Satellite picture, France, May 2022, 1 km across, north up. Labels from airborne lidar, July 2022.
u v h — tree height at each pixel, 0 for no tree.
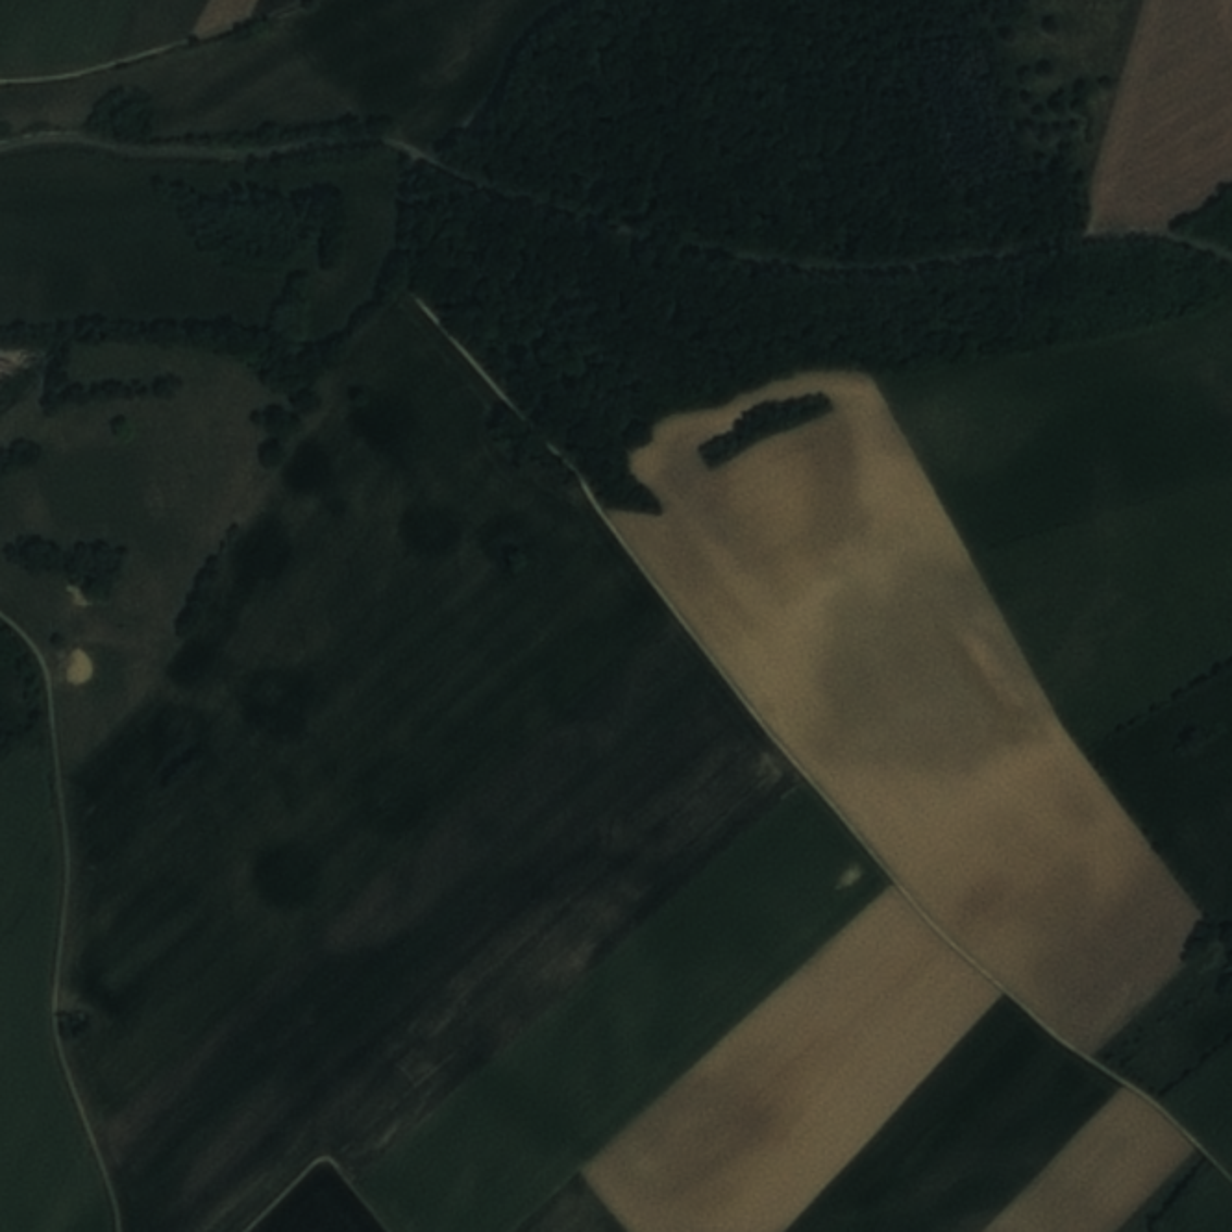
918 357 21
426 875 0
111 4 0
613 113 22
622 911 0
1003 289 15
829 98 22
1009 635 0
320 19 0
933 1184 0
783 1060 0
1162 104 0
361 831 0
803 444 0
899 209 18
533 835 0
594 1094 0
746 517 0
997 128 15
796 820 0
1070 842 0
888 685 0
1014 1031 0
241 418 0
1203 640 0
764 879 0
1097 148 0
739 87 19
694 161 25
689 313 25
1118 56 0
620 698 0
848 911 0
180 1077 0
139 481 0
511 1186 0
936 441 0
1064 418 0
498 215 25
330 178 0
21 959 0
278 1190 0
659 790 0
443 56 0
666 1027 0
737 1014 0
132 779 0
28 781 0
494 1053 0
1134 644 0
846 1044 0
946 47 12
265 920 0
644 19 21
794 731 0
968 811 0
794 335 17
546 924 0
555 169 22
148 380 0
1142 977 0
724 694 0
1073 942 0
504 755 0
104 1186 0
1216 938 9
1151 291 17
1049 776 0
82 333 10
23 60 0
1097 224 0
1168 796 0
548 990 0
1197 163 0
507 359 12
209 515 0
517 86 18
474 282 21
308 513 0
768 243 22
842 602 0
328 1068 0
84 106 0
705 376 19
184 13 0
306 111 0
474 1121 0
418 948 0
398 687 0
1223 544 0
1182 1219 0
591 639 0
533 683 0
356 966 0
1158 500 0
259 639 0
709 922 0
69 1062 0
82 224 0
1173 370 0
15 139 0
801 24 17
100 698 0
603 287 26
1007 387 0
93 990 0
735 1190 0
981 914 0
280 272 12
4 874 0
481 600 0
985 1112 0
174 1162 0
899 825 0
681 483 0
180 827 0
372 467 0
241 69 0
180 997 0
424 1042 0
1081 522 0
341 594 0
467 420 0
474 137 17
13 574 0
